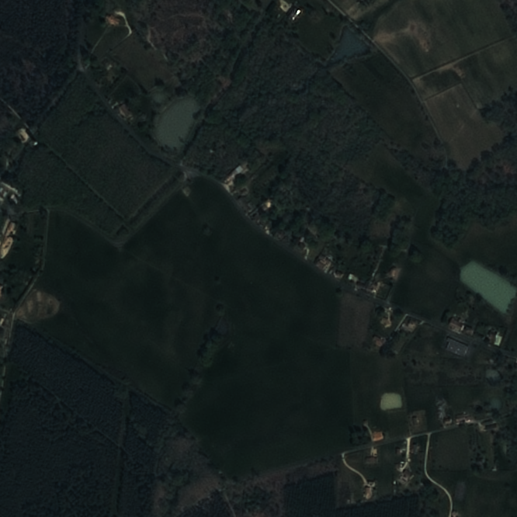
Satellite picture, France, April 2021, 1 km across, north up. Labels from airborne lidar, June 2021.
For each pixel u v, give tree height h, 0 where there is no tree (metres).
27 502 9
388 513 10
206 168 10
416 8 0
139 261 0
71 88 14
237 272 0
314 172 15
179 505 23
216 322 0
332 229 22
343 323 0
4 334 16
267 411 0
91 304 0
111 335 0
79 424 19
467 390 0
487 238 0
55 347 15
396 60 0
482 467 8
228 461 0
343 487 0
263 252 0
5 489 12
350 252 0
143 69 0
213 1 12
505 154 20
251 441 0
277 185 14
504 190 25
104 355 0
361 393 0
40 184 13
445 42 0
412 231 0
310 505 10
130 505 12
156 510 23
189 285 0
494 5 0
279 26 6
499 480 0
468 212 24
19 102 21
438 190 22
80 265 0
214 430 0
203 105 20
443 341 0
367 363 0
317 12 13
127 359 0
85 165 14
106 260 0
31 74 8
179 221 0
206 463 17
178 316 0
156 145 10
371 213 7
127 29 0
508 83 0
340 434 0
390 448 0
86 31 0
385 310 12
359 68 0
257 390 0
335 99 15
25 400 12
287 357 0
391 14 0
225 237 0
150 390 0
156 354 0
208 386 0
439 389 0
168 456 15
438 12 0
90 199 10
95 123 15
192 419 0
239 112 9
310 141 19
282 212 20
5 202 0
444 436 0
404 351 0
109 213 11
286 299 0
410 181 0
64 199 11
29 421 14
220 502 18
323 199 14
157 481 23
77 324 0
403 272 0
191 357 0
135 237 0
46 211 15
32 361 18
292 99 19
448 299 0
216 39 22
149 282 0
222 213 0
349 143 7
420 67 0
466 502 0
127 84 0
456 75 0
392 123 0
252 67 16
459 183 14
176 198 0
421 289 0
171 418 10
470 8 0
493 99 0
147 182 14
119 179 14
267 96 10
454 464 0
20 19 18
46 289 0
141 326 0
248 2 23
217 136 16
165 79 0
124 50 0
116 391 15
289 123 18
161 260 0
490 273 0
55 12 21
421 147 0
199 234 0
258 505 7
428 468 0
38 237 6
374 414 0
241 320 0
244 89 17
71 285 0
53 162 13
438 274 0
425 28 0
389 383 0
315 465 7
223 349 0
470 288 0
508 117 20
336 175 16
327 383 0
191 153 14
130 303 0
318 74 18
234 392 0
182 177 11
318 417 0
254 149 22
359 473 0
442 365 0
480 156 0
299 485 9
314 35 0
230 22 23
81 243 0
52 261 0
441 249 0
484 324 9
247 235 0
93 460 10
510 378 6
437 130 0
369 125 8
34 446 13
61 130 14
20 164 11
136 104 19
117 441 16
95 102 14
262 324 0
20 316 0
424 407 0
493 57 0
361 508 9
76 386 17
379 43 0
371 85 0
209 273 0
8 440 14
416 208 0
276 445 0
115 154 17
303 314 0
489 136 0
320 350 0
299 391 0
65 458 11
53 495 9
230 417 0
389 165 0
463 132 0
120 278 0
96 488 18
